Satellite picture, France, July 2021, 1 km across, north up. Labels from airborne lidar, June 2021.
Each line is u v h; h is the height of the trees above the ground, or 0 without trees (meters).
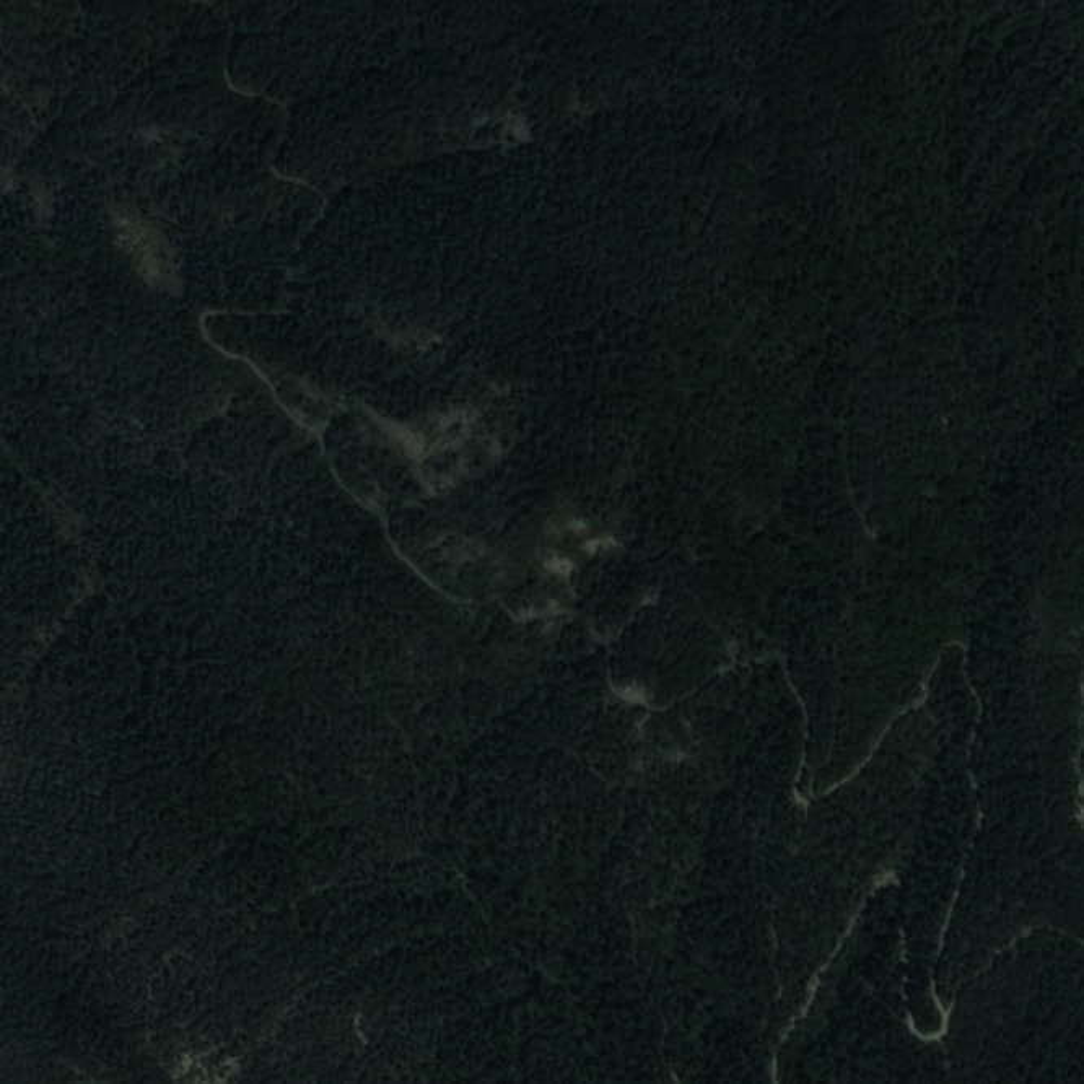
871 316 12
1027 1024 10
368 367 10
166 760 20
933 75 11
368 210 13
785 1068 9
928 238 7
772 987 9
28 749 11
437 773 9
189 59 16
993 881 9
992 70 13
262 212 15
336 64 14
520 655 10
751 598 9
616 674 6
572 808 14
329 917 21
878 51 18
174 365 8
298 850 21
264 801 9
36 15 11
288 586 14
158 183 6
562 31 19
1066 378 12
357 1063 7
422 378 10
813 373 7
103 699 21
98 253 9
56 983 13
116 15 11
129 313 9
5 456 17
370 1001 10
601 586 15
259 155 19
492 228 15
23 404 10
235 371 8
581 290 15
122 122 9
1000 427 8
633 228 11
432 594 7
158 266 0
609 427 21
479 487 8
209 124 13
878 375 9
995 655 9
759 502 8
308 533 8
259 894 7
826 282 8
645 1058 10
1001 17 9
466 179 10
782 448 16
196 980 12
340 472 10
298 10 22
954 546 13
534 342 15
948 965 13
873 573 11
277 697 9
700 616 7
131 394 14
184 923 8
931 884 23
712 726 10
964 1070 12
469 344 15
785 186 20
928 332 16
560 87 18
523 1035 8
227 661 14
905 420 11
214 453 14
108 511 14
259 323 9
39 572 22
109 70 14
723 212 13
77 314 13
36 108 10
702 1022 9
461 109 13
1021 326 9
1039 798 10
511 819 13
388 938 13
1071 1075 13
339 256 15
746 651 10
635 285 12
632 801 10
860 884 8
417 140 9
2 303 15
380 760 8
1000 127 9
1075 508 8
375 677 16
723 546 10
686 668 8
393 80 19
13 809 7
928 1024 8
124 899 12
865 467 9
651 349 13
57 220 10
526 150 8
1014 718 7
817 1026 19
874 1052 15
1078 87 11
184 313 6
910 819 22
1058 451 8
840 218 15
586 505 11
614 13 21
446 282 11
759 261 15
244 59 12
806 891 19
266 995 11
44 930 9
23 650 12
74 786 12
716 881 9
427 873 6
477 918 21
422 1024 10
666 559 13
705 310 12
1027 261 11
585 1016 6
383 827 14
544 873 10
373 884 12
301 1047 10
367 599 10
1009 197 8
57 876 13
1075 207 12
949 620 11
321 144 13
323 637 16
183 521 17
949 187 11
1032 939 11
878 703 8
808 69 14
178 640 16
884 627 14
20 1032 7
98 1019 16
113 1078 8
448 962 8
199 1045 6
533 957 15
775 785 9
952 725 9
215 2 8
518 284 19
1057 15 7
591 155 18
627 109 9
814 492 9
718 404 13
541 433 16
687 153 16
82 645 17
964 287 17
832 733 10
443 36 16
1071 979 15
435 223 10
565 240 16
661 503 12
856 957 12
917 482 11
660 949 7
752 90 13
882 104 11
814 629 7
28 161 14
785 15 13
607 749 15
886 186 13
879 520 11
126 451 12
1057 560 11
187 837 13
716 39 17
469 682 9
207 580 12
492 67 17
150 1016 13
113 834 16
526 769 17
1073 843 10
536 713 8
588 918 15
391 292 10
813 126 16
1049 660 8
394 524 7
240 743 8
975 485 11
